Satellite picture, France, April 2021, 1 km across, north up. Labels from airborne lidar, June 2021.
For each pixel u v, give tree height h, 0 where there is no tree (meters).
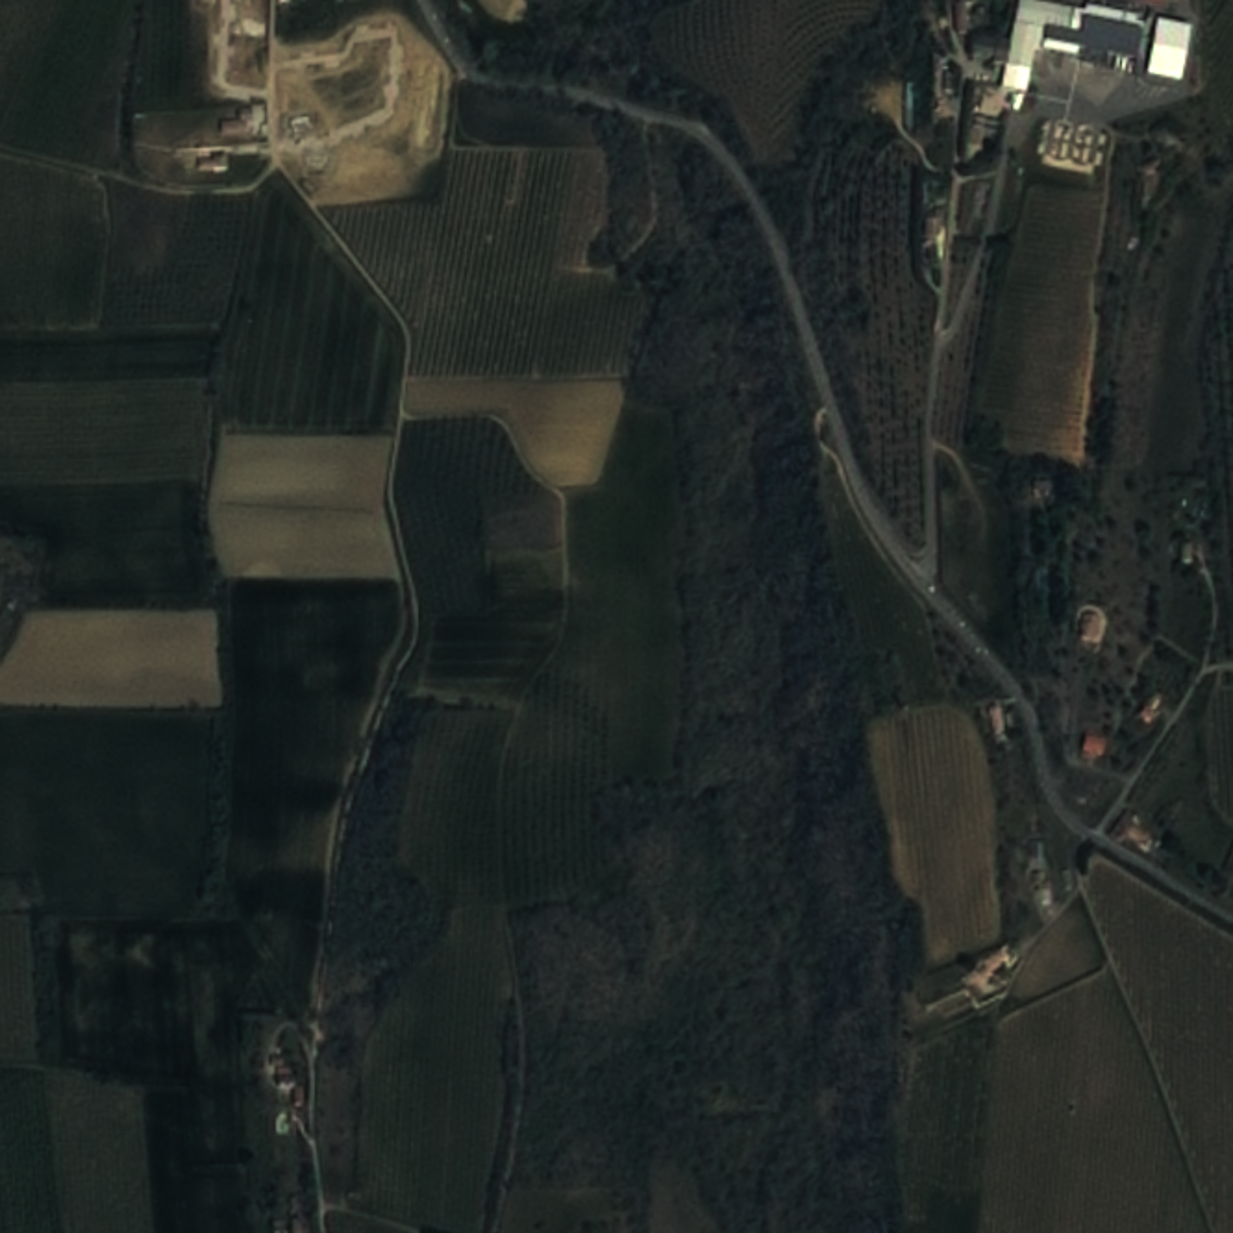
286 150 0
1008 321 0
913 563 0
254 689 0
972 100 7
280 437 0
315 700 0
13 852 0
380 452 0
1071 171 0
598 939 11
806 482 13
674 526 0
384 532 0
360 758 9
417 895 10
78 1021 0
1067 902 0
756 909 13
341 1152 7
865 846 8
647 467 0
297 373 0
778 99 0
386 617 0
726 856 16
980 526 0
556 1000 11
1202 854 0
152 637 0
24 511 0
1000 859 9
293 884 0
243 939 0
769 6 0
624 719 0
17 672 0
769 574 14
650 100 11
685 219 23
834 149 6
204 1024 0
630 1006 10
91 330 0
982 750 0
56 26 0
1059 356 0
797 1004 32
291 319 0
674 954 5
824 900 10
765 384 11
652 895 9
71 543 0
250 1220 14
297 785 0
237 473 0
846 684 10
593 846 6
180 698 0
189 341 0
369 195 0
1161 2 0
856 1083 10
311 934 0
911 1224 0
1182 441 0
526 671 0
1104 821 0
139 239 0
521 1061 10
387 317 0
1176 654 9
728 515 9
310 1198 10
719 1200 17
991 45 0
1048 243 0
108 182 0
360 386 0
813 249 8
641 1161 8
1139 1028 0
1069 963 0
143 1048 0
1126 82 0
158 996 0
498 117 0
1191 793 0
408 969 13
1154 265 7
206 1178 0
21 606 15
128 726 0
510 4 0
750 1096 8
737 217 14
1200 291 0
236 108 0
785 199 12
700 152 13
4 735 0
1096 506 10
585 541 0
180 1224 0
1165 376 0
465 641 0
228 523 0
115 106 0
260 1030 9
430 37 0
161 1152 0
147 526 0
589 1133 12
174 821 0
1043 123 0
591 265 10
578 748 6
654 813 12
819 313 10
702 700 11
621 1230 12
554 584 0
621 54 9
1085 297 0
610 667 0
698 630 11
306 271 0
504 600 0
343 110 0
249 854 0
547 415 0
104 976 0
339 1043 10
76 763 0
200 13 0
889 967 9
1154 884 13
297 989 0
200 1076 0
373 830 15
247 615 0
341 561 0
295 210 0
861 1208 15
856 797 10
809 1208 18
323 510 0
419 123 0
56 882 0
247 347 0
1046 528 9
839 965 10
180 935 0
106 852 0
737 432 15
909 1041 7
